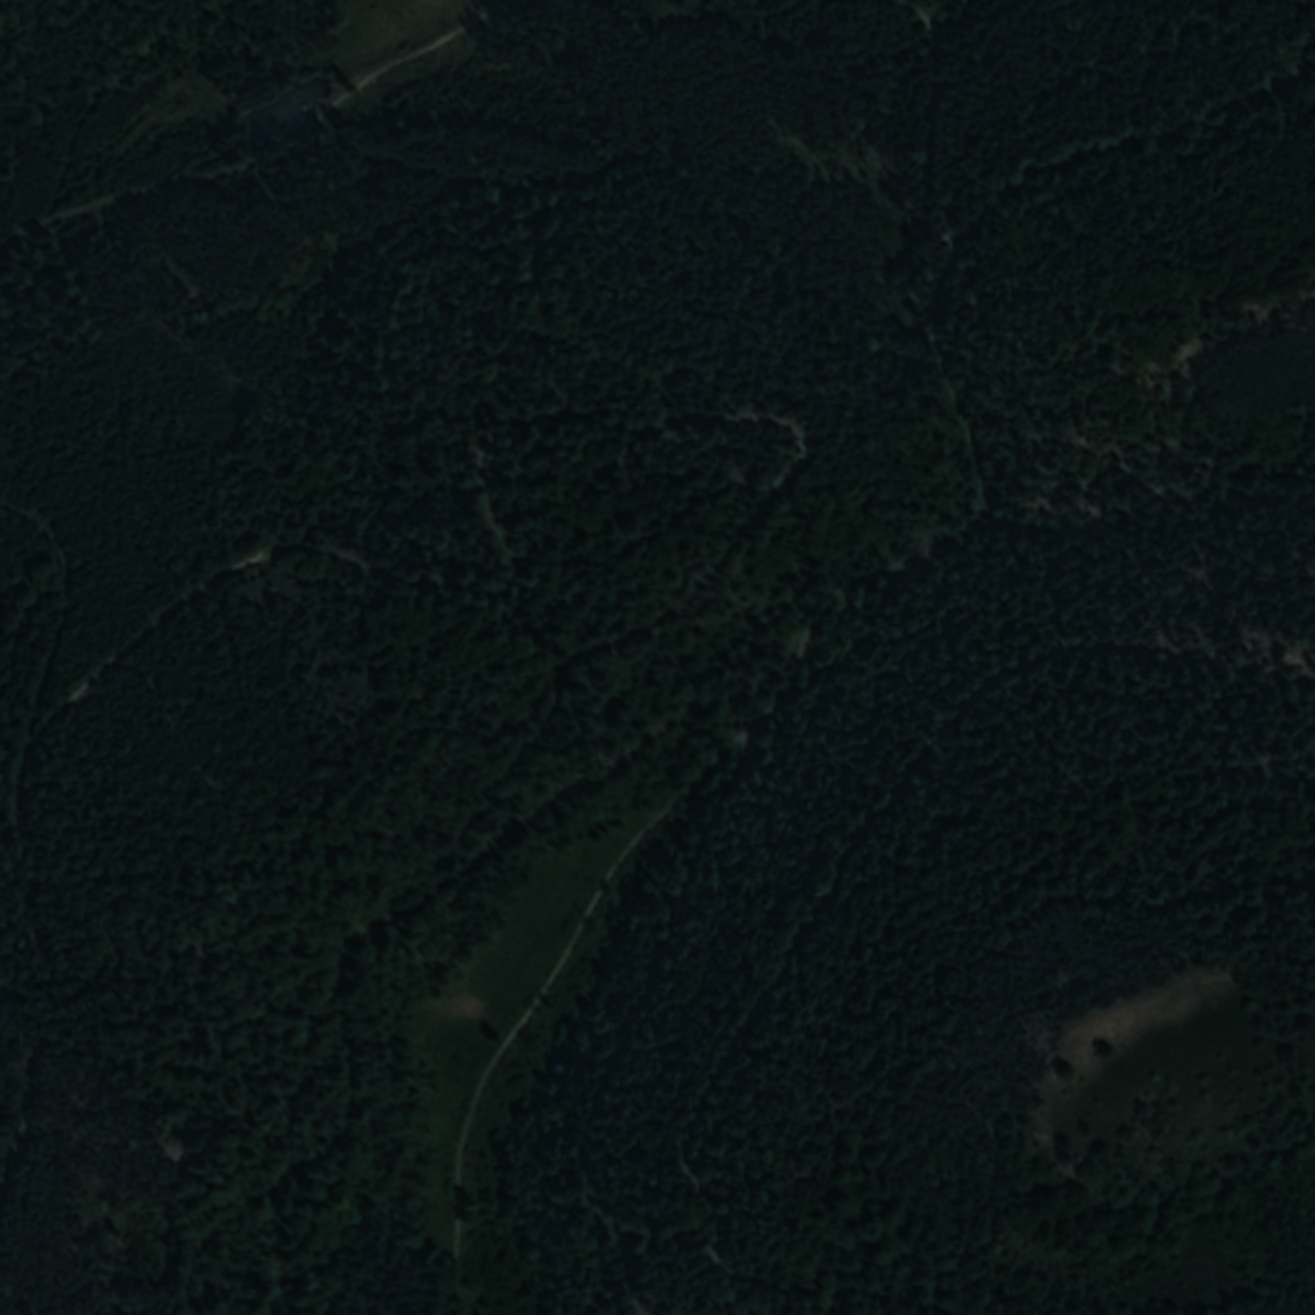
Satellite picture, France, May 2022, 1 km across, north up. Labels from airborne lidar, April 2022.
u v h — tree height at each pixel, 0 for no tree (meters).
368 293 32
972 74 36
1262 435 16
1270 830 26
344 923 33
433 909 29
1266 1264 12
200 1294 12
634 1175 22
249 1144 34
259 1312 19
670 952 17
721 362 33
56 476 14
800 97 33
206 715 8
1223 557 33
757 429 10
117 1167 27
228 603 18
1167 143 21
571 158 33
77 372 9
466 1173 0
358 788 17
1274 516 28
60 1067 20
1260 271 11
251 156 36
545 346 30
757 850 23
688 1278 20
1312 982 18
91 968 10
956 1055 21
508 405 25
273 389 23
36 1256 21
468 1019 0
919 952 24
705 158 32
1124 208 19
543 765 32
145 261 34
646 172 29
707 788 12
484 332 36
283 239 36
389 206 34
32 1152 24
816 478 14
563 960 0
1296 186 19
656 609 15
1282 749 25
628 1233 11
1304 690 18
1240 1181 5
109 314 37
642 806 27
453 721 18
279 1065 22
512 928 0
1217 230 12
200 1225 30
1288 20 22
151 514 12
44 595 14
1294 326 19
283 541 7
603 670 32
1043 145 29
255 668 11
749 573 14
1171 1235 16
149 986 19
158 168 10
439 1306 29
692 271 29
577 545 21
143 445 13
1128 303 15
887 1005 20
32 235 40
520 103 6
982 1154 18
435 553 10
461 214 36
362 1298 29
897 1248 22
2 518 9
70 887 24
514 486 17
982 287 17
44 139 17
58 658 10
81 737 10
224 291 38
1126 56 27
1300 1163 8
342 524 7
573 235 29
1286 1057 15
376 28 0
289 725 14
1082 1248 18
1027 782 27
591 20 35
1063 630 26
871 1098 23
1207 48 23
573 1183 32
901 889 22
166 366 8
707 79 37
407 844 20
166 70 18
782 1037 26
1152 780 20
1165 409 12
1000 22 29
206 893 28
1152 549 25
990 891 18
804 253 34
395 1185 25
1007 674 22
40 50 32
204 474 10
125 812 9
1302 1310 19
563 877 0
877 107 24
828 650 24
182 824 11
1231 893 27
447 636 16
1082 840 15
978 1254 17
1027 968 20
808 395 20
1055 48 25
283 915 34
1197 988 0
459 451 10
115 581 12
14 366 11
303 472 21
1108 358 14
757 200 31
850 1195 12
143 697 12
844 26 20
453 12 0
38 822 25
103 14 30
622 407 36
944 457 25
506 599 31
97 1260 21
